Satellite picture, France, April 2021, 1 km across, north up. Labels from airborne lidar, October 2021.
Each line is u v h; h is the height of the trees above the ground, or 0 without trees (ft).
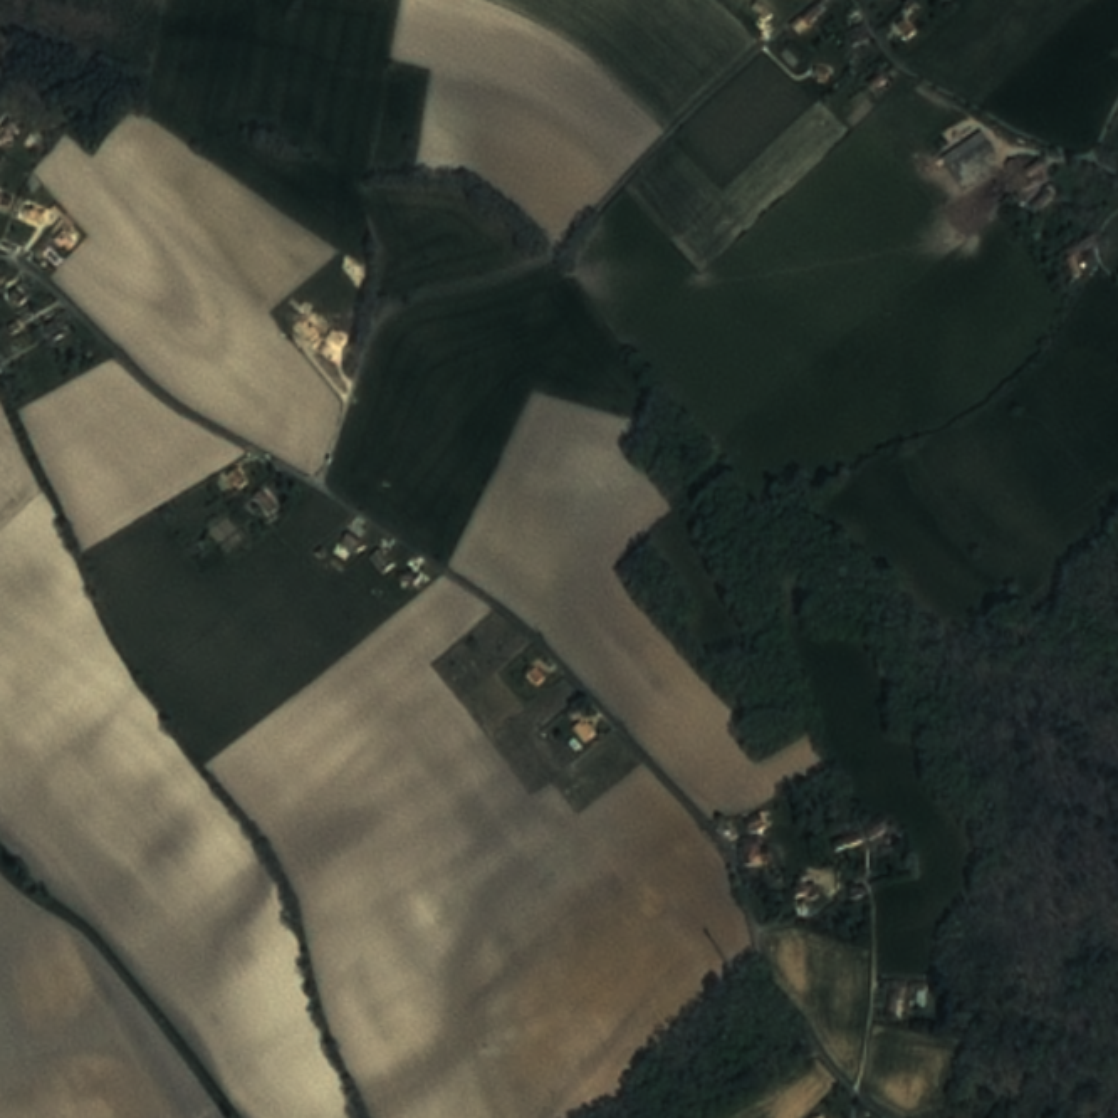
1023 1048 47
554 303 0
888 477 0
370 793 0
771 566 85
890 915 0
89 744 0
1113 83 0
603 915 0
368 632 0
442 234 0
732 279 0
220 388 0
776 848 0
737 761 0
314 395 0
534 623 0
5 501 0
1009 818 57
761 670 76
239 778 0
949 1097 39
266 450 0
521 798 0
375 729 0
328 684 0
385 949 0
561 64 0
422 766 0
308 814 0
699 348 0
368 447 0
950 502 0
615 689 0
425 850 0
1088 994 71
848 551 71
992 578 0
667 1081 66
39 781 0
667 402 69
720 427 0
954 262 0
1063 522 0
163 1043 0
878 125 0
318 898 0
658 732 0
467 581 0
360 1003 0
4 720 0
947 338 0
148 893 0
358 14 0
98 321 0
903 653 72
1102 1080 77
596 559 0
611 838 0
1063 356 0
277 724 0
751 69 0
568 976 0
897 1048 0
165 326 0
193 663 0
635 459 72
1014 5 0
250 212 0
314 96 0
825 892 0
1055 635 65
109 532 0
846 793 49
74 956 0
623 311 0
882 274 0
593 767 0
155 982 0
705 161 0
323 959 0
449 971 0
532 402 0
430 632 0
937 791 64
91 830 0
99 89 55
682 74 0
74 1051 0
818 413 0
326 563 0
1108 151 28
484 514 0
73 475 0
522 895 0
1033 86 0
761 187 0
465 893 0
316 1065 0
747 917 0
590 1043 0
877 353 0
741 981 72
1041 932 54
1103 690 67
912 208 0
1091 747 94
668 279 0
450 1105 0
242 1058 0
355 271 0
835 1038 0
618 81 0
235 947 0
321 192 0
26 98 65
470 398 0
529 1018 0
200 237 0
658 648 0
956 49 0
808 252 0
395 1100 0
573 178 0
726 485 65
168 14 0
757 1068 65
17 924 0
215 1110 0
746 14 0
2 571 0
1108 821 48
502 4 0
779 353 0
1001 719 48
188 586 0
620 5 0
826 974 0
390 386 0
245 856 0
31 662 0
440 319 0
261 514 24
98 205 0
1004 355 0
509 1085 0
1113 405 0
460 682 0
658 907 0
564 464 0
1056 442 0
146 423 0
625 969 0
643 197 0
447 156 0
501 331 0
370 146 0
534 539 0
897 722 49
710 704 0
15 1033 0
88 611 0
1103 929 60
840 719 0
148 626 0
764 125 0
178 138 0
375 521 0
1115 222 0
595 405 0
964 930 48
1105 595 62
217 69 0
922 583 0
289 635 0
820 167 0
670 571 56
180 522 0
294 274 0
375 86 0
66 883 0
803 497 72
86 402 0
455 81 0
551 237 35
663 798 0
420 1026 0
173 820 0
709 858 0
